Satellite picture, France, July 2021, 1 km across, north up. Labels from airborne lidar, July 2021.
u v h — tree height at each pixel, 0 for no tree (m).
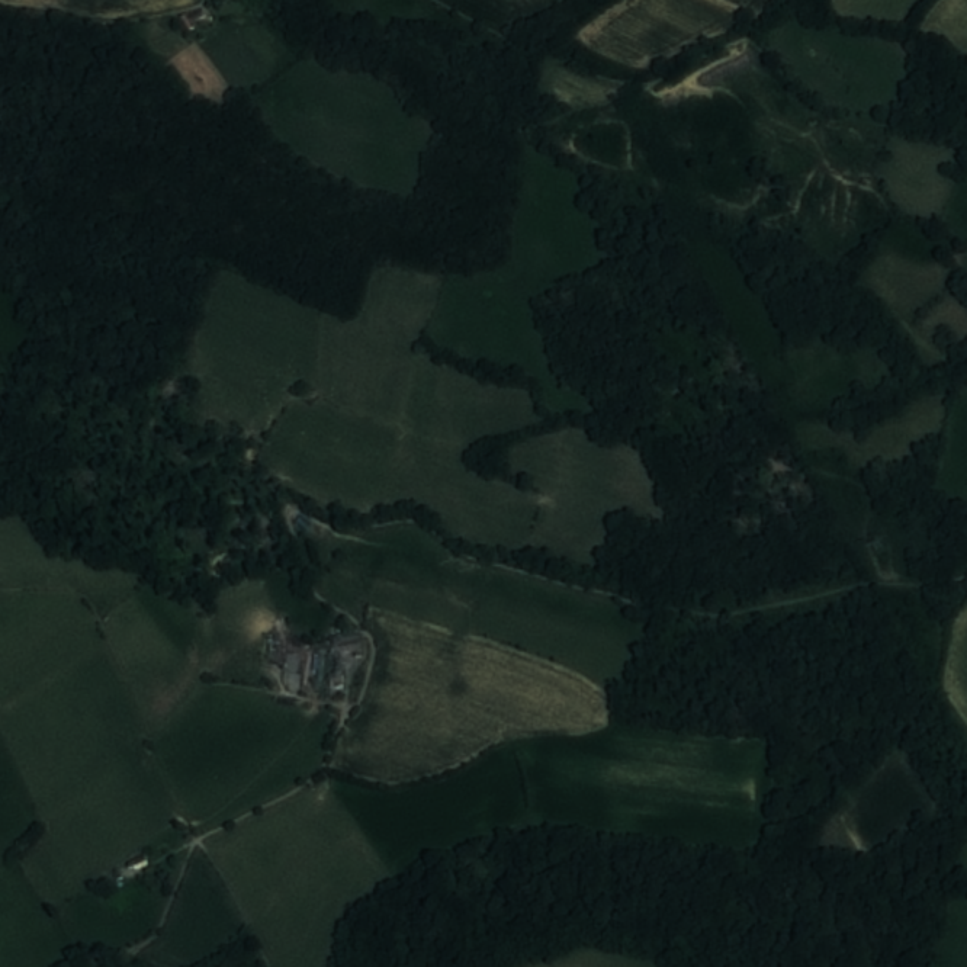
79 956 27
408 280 0
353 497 0
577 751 0
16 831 0
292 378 0
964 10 0
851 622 28
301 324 0
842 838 0
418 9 0
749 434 29
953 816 19
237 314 0
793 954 28
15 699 0
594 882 28
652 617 17
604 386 21
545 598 0
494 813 0
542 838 26
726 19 0
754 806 0
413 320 0
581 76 12
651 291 19
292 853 0
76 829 0
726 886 23
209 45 0
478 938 20
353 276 11
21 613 0
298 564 19
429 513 18
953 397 20
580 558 0
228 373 0
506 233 12
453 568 0
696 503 18
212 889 0
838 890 27
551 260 0
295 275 16
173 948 0
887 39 16
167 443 34
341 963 21
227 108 11
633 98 11
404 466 0
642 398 22
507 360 0
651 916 29
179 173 18
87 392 32
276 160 10
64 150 18
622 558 12
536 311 14
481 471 15
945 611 21
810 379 0
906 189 0
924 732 27
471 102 22
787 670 26
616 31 0
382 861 0
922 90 25
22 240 22
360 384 0
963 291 26
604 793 0
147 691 0
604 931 23
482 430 0
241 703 0
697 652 20
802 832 24
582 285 13
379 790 10
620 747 0
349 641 0
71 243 24
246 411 0
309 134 0
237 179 17
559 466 0
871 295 9
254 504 22
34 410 27
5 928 0
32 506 29
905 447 0
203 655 0
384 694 0
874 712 20
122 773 0
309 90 0
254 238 17
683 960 22
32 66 25
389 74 15
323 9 19
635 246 24
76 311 26
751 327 0
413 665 0
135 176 19
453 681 0
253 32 0
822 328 27
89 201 20
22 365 12
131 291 24
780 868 26
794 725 19
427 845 0
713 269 0
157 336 27
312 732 0
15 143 17
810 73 0
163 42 0
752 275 16
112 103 21
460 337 0
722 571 15
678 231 26
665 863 26
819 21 17
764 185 23
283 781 0
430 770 0
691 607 17
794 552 21
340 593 0
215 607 19
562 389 15
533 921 24
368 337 0
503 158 19
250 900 0
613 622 0
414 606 0
